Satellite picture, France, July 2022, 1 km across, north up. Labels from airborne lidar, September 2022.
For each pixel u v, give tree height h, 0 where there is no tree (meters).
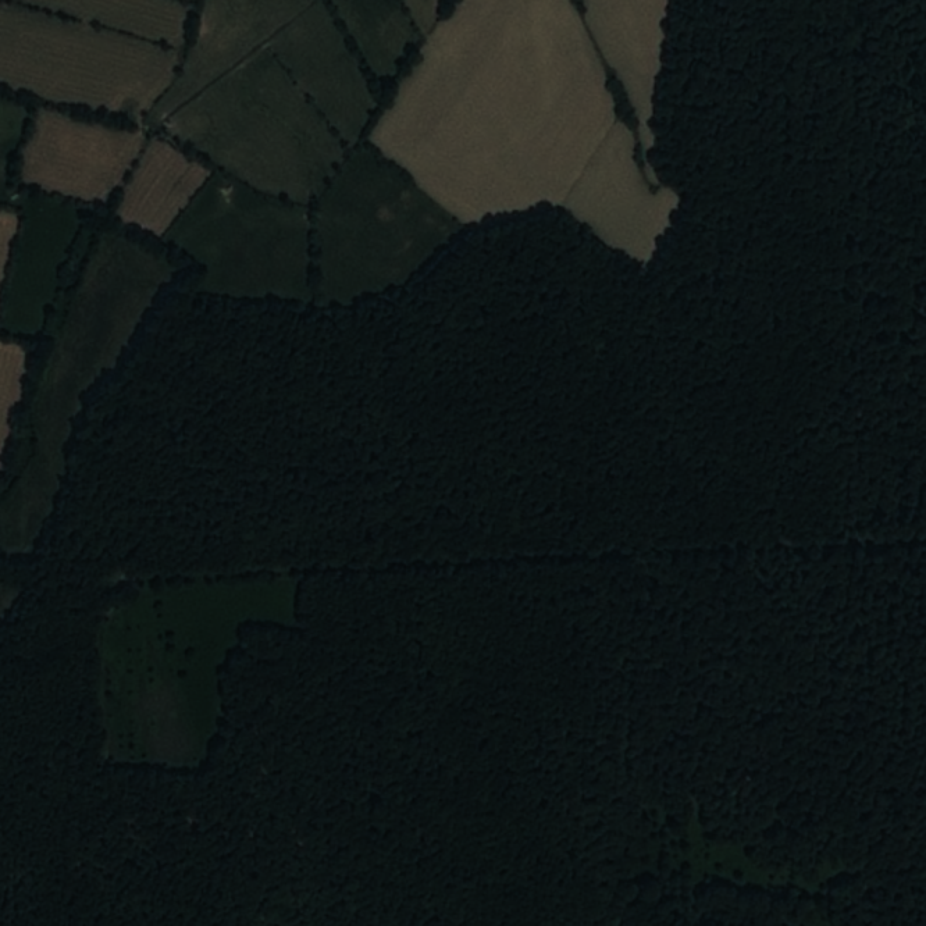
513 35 0
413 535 24
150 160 0
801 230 25
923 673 30
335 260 0
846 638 30
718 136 29
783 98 26
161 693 0
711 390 27
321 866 26
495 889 22
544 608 21
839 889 21
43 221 0
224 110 0
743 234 28
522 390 21
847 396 28
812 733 28
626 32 0
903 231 29
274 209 0
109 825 24
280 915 25
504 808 21
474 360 21
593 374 22
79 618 25
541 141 0
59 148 0
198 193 6
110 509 20
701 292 32
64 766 18
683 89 20
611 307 24
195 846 18
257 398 19
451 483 22
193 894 18
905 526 27
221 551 21
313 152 0
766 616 25
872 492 26
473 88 0
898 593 30
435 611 21
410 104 0
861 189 25
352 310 10
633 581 25
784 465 23
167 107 0
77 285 8
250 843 25
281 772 23
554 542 21
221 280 0
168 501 19
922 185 23
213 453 27
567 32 0
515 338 28
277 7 0
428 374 24
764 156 24
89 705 19
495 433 24
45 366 15
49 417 0
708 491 24
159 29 0
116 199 15
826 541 13
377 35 0
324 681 25
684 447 26
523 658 21
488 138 0
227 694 21
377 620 21
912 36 26
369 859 22
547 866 21
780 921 22
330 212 0
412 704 24
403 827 22
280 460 24
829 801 26
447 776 27
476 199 0
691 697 26
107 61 0
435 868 28
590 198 0
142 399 23
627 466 22
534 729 18
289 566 13
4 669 21
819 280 26
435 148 0
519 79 0
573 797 24
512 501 22
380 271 0
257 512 23
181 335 26
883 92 24
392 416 25
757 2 25
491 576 21
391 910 25
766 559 27
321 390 23
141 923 18
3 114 0
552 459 21
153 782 22
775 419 25
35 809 21
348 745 24
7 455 14
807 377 23
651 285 28
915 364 23
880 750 25
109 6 0
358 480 23
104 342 0
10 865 23
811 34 23
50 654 23
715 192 24
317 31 0
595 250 23
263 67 0
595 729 24
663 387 29
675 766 27
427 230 0
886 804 20
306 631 20
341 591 21
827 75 25
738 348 30
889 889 24
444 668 21
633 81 0
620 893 27
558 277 23
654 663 20
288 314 22
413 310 25
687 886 14
